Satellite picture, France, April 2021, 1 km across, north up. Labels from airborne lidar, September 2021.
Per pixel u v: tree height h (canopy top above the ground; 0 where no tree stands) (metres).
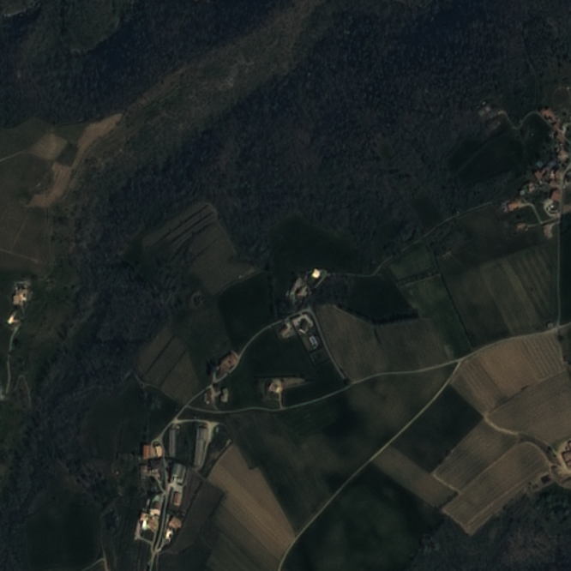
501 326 0
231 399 0
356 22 8
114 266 13
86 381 6
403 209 10
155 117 6
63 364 13
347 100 19
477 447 0
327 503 0
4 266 0
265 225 12
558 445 0
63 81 18
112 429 0
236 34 16
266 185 17
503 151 0
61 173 0
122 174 13
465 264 0
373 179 14
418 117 14
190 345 0
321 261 0
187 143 22
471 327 0
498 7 9
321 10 18
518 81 11
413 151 11
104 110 11
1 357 0
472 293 0
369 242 5
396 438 0
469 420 0
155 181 21
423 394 0
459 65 17
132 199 15
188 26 11
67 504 0
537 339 0
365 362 0
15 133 0
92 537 0
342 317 0
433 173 9
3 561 20
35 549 0
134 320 17
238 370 0
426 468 0
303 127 15
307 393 0
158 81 7
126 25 7
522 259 0
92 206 14
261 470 0
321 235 0
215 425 0
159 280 0
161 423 0
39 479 9
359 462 0
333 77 18
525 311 0
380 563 0
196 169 16
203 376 0
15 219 0
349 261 0
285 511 0
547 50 13
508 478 0
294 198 12
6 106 23
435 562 16
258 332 0
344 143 16
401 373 0
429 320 0
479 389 0
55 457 12
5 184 0
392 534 0
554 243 0
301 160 11
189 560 0
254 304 0
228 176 17
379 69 13
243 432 0
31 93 12
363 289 0
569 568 18
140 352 14
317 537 0
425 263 0
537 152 0
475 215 0
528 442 0
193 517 0
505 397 0
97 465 0
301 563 0
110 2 9
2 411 16
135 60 10
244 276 0
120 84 13
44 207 0
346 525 0
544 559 18
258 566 0
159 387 0
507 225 0
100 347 22
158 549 0
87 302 33
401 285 10
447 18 6
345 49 7
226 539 0
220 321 0
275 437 0
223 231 0
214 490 0
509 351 0
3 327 0
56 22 18
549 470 0
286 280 0
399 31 9
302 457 0
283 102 22
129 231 9
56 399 9
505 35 7
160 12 10
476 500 0
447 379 0
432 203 0
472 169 0
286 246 0
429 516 0
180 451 0
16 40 10
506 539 9
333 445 0
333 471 0
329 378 0
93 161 9
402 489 0
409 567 6
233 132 7
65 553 0
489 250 0
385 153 0
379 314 0
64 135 0
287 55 13
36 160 0
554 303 0
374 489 0
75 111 10
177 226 0
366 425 0
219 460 0
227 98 7
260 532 0
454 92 13
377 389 0
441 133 10
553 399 0
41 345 0
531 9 8
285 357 0
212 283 0
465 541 9
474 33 19
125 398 0
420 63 12
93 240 27
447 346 0
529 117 0
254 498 0
